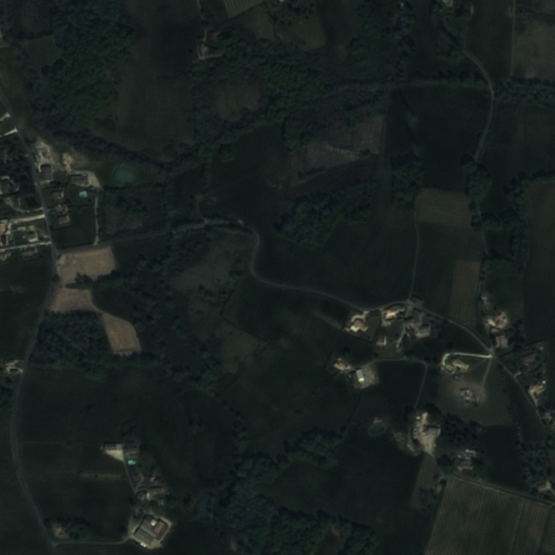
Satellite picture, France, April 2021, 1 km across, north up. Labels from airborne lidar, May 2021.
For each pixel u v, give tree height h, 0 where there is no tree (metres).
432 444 0
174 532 0
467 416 0
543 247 0
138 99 0
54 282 9
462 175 0
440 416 21
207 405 0
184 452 0
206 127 8
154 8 0
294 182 0
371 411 0
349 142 0
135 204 7
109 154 22
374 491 0
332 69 6
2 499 0
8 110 0
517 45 0
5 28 13
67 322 8
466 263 0
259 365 0
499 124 0
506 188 0
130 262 0
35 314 0
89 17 19
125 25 15
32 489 0
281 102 19
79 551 0
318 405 0
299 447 13
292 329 0
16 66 0
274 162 0
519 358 7
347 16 0
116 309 0
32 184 7
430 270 0
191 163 18
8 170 8
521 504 0
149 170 18
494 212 0
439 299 0
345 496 0
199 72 12
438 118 0
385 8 0
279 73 23
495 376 0
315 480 0
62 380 0
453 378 0
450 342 0
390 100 6
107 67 7
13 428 0
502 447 0
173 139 0
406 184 16
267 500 12
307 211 11
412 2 0
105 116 0
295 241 11
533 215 0
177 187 0
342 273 0
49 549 0
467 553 0
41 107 7
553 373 0
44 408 0
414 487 0
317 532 28
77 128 17
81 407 0
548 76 0
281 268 0
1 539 0
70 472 0
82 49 21
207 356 16
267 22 0
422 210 0
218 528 13
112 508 0
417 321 0
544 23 0
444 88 0
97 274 0
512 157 0
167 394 0
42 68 0
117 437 0
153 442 0
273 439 0
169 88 0
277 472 16
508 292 0
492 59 0
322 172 7
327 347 0
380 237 0
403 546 0
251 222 0
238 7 0
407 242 0
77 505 0
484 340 0
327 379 0
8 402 21
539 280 0
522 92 9
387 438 0
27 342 0
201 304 0
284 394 0
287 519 19
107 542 0
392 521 0
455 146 0
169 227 18
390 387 0
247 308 0
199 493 0
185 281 0
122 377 0
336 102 15
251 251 0
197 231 6
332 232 19
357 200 18
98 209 6
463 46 13
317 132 9
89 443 0
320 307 0
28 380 0
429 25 0
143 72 0
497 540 0
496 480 0
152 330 9
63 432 0
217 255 0
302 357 0
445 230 0
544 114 0
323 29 0
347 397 0
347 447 0
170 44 0
